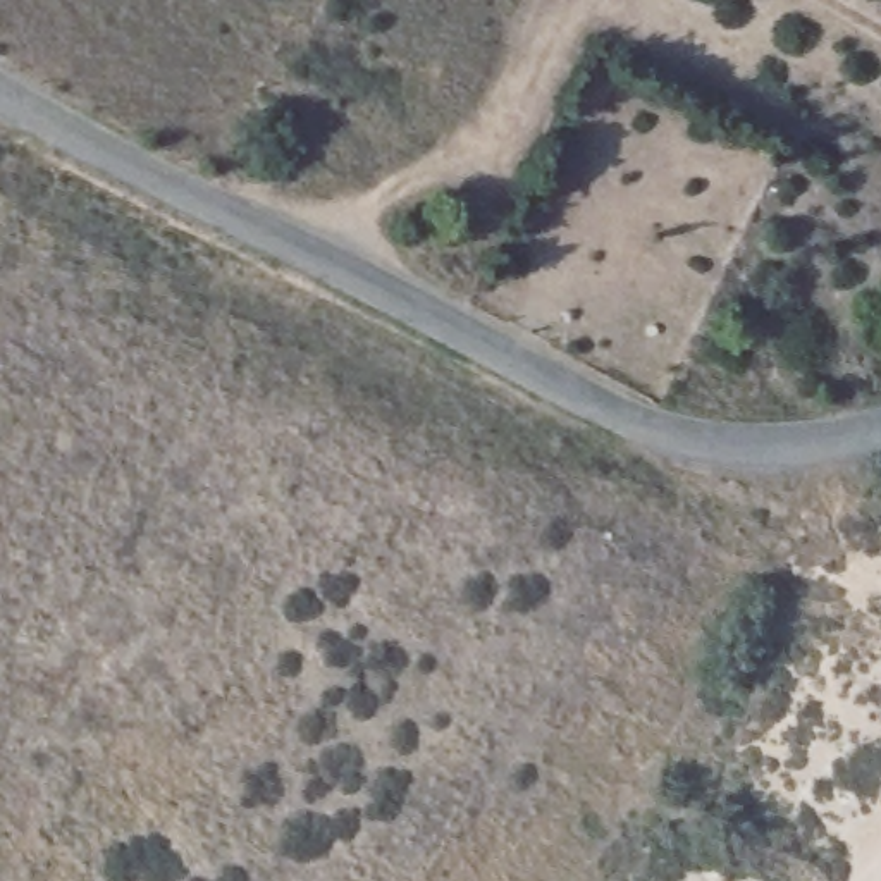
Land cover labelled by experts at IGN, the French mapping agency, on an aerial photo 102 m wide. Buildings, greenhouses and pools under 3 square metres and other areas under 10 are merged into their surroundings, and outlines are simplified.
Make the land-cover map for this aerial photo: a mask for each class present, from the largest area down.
<instances>
[{"label":"herbaceous vegetation","instance_id":"1","mask_svg":"<svg viewBox=\"0 0 881 881\"><path fill-rule=\"evenodd\" d=\"M330 0H0V55H10L17 72L48 83L55 93L86 96L96 120H124L141 138V145L172 148L179 158H196L206 176H231L237 162L227 158V151L234 148L237 124L248 114L268 110L279 96H313L320 83L296 79L279 62V48L286 41L341 45L344 24L327 10ZM554 3L571 7L575 0H382L385 14L375 17L379 31L358 38V59L365 69H399L403 93L389 103H354L348 107V124L330 138L323 158L299 179H251L241 200H251L262 210L289 217L299 200H337L372 189L382 176L413 165L441 141H447L458 127L475 120L485 93L502 72L506 45L523 52ZM785 14L812 17L822 28V34L819 45L805 55L774 45L767 59L788 65L792 83H798L792 89V100L781 107L771 96L757 93L747 79H740L726 59L709 55L702 45L668 41L661 34L644 38L630 55L633 76L657 79L661 86L692 96L699 110L716 114L723 141L736 127L750 124L757 134L781 138L785 145L798 148L805 155L802 162L774 165L778 193L764 196L754 210L743 244L726 265V279L712 303L740 320L743 351H726L723 344L702 334L692 344V358L685 365H671L668 396L657 392L650 382L599 361L592 354V337L571 341V354L585 368L609 375L613 382L626 385L654 406L695 413L705 420H822L826 413L847 403H881V368H871V351H860L853 344V337H860L864 330L853 317V299L881 286V244L864 251L867 275L847 289L833 282V265L840 237L881 231V72L871 83H853L840 65L836 45L843 38H860L864 48H871L881 62V0H774ZM761 262L795 265L785 279V286L792 289L785 306L767 310L757 296L743 293L747 279L757 272ZM781 330L809 344V375L774 368L767 341ZM668 107L657 100L623 103L616 86L609 83V72L588 69V83L578 96V124H554L551 127L561 148L554 165V186L544 196H530V210L523 220L527 241L502 244L506 262H499L496 268V279L502 282L523 279L537 268H551L575 251L571 244H558L554 231L564 224L571 196L588 193V186L609 165H616L623 138L654 131ZM857 551L881 554V451L857 454L840 465H802L771 475H743L740 468L709 465L675 468L671 458L647 461L619 434L561 410L547 396L520 389L516 382L475 365L468 354L406 327L403 320L379 313L375 306L354 296L348 299L334 289H323L306 275L275 268V255L265 258L248 244H234L213 231L186 224L165 210L162 200L148 203L145 196L69 162L62 148H52L28 131L0 124V881H107V850L114 843H127L151 833L165 836L172 850L182 857L186 871L179 874V881H602V853H609V847L619 840V822L626 819V812L650 809L661 788L664 764L695 761L709 767L712 778H723L726 792L754 788L757 795H771L764 771H778V757L761 754V740L771 730V723H778L788 712L792 688L802 678H812L826 688L819 657L833 654L840 699H847L853 671H867L878 664L871 640L881 637V595H871L867 606L853 609L847 588L833 582ZM750 571H792L798 578H809L805 602L795 619L798 640H792L788 664H778L774 675L750 692L743 716H712L699 702L702 626L719 609H726L730 595L743 585ZM320 575H358V592L348 606H334L313 619L293 623L286 616L289 595L299 588H313ZM478 575L496 578V595L485 609L471 606L465 592V582ZM516 575H544L551 582L547 602H540L530 613L506 609ZM358 623L368 626L375 640H392L406 650V668L399 671L396 699L382 705L372 719H361L348 705H341L337 726L323 740L306 743L299 736L303 716L317 709L327 688L354 685L344 668L327 664L320 637L327 630L348 633ZM344 743L361 747V788L306 798V764L320 761L323 754ZM262 764H279L282 798L275 805L248 809L241 802L244 774ZM385 767L413 774L406 802L396 819L361 822L354 840L334 843L317 860H296L279 853L286 819L299 812L337 816L344 809L368 805L379 795V774ZM454 203H461L468 213V234L485 237L499 231L502 213L513 210L509 186L502 179L471 176L461 186H454ZM406 268L447 286L451 293L471 299L475 310L502 323H520V317L502 310L492 299V293L478 289L482 272L468 275L458 268H444V255H451V244L437 241L434 234L423 244L396 248ZM843 730L840 719L822 712V702H805L798 726L785 736L788 761L798 771L809 764L812 740L833 743Z\"/></svg>","mask_w":881,"mask_h":881},{"label":"pervious surface","instance_id":"2","mask_svg":"<svg viewBox=\"0 0 881 881\"><path fill-rule=\"evenodd\" d=\"M754 17L743 28H723L712 7L699 0H575L571 7L554 3L523 52L506 45L502 72L485 93L475 120L458 127L447 141H441L413 165L382 176L372 189L337 200H299L289 217L310 231L327 234L337 244L361 251L365 258L396 275H403L406 268L396 248L382 231V213L392 206L416 203L423 189L454 186H461L471 176L502 179L513 176L530 141L551 127L554 124V93L571 72L582 52V38L588 31L623 28L633 38H644L661 34L668 41L702 45L709 55L726 59L740 79H747L767 59L774 45V24L785 14L774 0H750ZM778 193L774 165L764 151L692 141L685 117L668 107L654 131L623 138L616 165H609L588 186V193L571 196L564 224L554 231L558 244H571L575 251L551 268H537L523 279L502 282L492 293V299L502 310L520 317L533 323H554L558 337L571 341L592 337V354L599 361L650 382L657 392L668 396L671 365H685L692 358V344L702 334L712 303L726 279V265L743 244L754 210L764 196ZM847 588L853 609L867 606L871 595H881V554L857 551L833 582ZM878 664L867 671H853L847 699H840L833 654L819 657L826 688L812 678H802L792 688L788 712L778 723H771V730L761 740V754L778 757V771H764L771 795L785 805L812 809L822 819V826L847 843L850 881H881V792L878 798L836 792L833 798H819L816 781L829 778L833 764L850 757L857 747L881 740V637L871 640ZM805 702H822V712L840 719L843 730L833 743L812 740L809 764L798 771L788 761L785 736L798 726Z\"/></svg>","mask_w":881,"mask_h":881},{"label":"brushwood","instance_id":"3","mask_svg":"<svg viewBox=\"0 0 881 881\"><path fill-rule=\"evenodd\" d=\"M327 10L344 24L341 45L286 41L279 48V62L296 79L320 83L313 96L323 100L334 114L348 117V107L354 103H389L403 93L399 69H365L358 59V38L379 31L375 17L385 14L382 0H330ZM712 7L723 28H743L754 17L750 0H699ZM822 34V28L812 17L785 14L774 24V45L805 55L819 45ZM840 65L853 83H871L881 72V62L871 48H864L860 38H843L836 45ZM747 79L757 93L771 96L781 107L792 100V89L798 83H792L788 65L767 59ZM881 244V231L840 237L833 265V282L847 289L867 275L864 251ZM795 265L761 262L757 272L747 279L743 293L757 296L767 310L785 306L792 289L785 286V279ZM358 592V575H320L313 588H299L289 595L286 616L293 623L313 619L334 606H348ZM465 592L471 606L485 609L496 595V578L478 575L465 582ZM551 582L544 575H516L506 609L530 613L540 602H547ZM327 664L344 668L354 685L327 688L317 709L303 716L299 736L306 743L323 740L337 726L341 705H348L361 719H372L382 705L396 699L399 671L406 668V650L392 640H375L368 626L358 623L348 633L327 630L320 637ZM836 792L878 798L881 792V740L857 747L850 757L833 764L829 778L816 781L819 798H833ZM361 747L344 743L323 754L320 761L306 764V798L361 788ZM602 881H850L847 843L822 826V819L812 809L785 805L771 795H757L754 788L726 792L723 778H712L709 767L695 761L664 764L661 788L650 809L626 812V819L619 822V840L609 847V853H602ZM282 798L279 764H262L244 774L241 802L248 809L275 805ZM413 774L385 767L379 774V795L368 805L344 809L337 816L299 812L286 819L279 853L296 860H317L334 843L354 840L361 822L396 819L406 802ZM186 871L182 857L172 850L165 836L151 833L127 843H114L107 850V881H179V874Z\"/></svg>","mask_w":881,"mask_h":881},{"label":"impervious surface","instance_id":"4","mask_svg":"<svg viewBox=\"0 0 881 881\"><path fill-rule=\"evenodd\" d=\"M0 124L28 131L52 148H62L69 162L145 196L148 203L162 200L165 210L186 224L213 231L234 244H248L265 258L275 255V268L306 275L323 289H334L348 299L354 296L375 306L379 313L403 320L406 327L468 354L475 365L516 382L520 389L547 396L561 410L619 434L647 461L671 458L675 468L709 465L740 468L743 475H771L802 465H840L857 454L881 451V403H847L826 413L822 420H705L695 413L654 406L626 385L613 382L609 375L585 368L571 354V341L558 337L554 323H533L520 317V323H502L475 310L471 299L451 293L447 286L406 268L403 275H396L365 258L361 251L337 244L327 234L310 231L289 217L262 210L251 200H241L251 179L231 176H206L196 158H179L172 148L141 145V138L124 120H96L86 96L55 93L48 83L17 72L10 55H0Z\"/></svg>","mask_w":881,"mask_h":881},{"label":"deciduous trees","instance_id":"5","mask_svg":"<svg viewBox=\"0 0 881 881\"><path fill-rule=\"evenodd\" d=\"M644 38H633L623 28L588 31L582 38V52L571 72L554 93V124H578V96L588 83V69L609 72V83L616 86L623 103L657 100L668 107L685 117L692 141L764 151L774 165L802 162L805 155L798 148L785 145L781 138L757 134L750 124L736 127L723 141L716 114L699 110L692 96L661 86L657 79L633 76L630 55ZM348 124V117L334 114L323 100L313 96H279L268 110L248 114L237 124L234 148L227 151V158L237 162L231 176L251 179H299L323 158L330 138ZM561 148L551 127L530 141L513 176L502 179L509 186L513 210L502 213L499 231L485 237L468 234V213L461 203H454V186L423 189L416 203L392 206L382 213V231L396 248L423 244L434 234L437 241L451 244V255H444V268H458L468 275L482 272L478 289L492 293L502 282L496 279V268L499 262H506L502 244L527 241L523 220L530 210V196H544L554 186V165ZM853 317L864 330L860 337H853V344L860 351H871V368H881V286L853 299ZM702 334L723 344L726 351H743L740 320L712 303ZM774 368L809 375V344L781 330L767 341ZM809 578H798L792 571H750L743 585L730 595L726 609H719L702 626L699 702L712 716H743L750 692L774 675L778 664H788L792 640H798L795 619L805 602Z\"/></svg>","mask_w":881,"mask_h":881}]
</instances>
